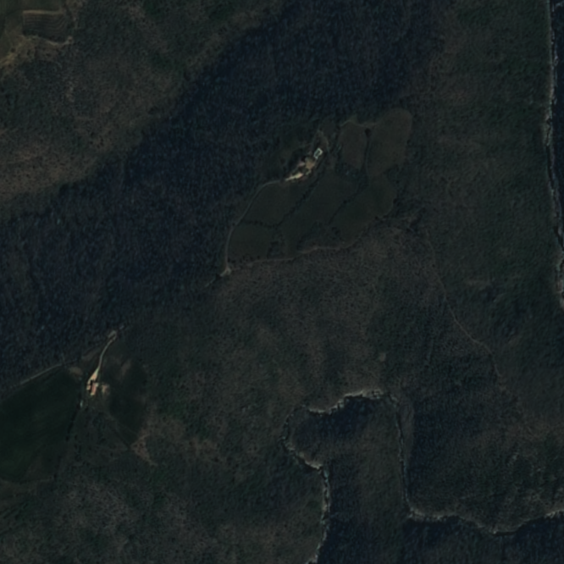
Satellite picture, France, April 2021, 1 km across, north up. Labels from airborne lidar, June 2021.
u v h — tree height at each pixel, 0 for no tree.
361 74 8
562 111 10
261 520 6
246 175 10
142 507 10
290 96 10
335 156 7
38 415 0
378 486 8
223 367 6
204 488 11
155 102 12
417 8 7
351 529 7
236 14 20
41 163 8
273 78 9
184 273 16
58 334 14
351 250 8
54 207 24
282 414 6
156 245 16
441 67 8
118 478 8
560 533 9
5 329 19
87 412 11
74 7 10
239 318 9
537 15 10
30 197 11
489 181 18
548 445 9
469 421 11
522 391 8
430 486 9
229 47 27
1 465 0
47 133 8
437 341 9
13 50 8
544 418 8
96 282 16
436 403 6
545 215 9
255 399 11
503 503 8
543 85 6
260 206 0
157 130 19
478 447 5
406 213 9
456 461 9
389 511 8
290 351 9
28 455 0
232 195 12
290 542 7
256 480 12
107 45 8
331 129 0
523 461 8
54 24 0
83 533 9
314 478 8
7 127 11
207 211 13
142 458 8
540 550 8
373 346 7
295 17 18
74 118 8
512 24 9
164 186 9
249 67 18
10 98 17
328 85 9
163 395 9
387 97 13
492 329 5
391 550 7
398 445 6
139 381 0
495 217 7
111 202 22
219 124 10
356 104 13
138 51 8
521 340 8
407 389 6
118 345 0
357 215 0
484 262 9
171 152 20
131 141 19
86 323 13
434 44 10
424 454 8
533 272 9
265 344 8
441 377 9
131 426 0
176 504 6
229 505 7
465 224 10
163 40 6
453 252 12
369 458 8
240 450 10
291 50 15
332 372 7
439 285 7
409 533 13
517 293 10
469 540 10
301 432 11
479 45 8
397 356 8
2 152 9
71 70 7
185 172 19
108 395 0
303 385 9
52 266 21
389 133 0
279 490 14
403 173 6
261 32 7
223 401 7
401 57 10
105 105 12
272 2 16
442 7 15
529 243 6
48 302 12
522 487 9
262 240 0
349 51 12
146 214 13
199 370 10
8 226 7
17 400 0
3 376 14
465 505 7
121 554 11
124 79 11
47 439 0
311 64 13
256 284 7
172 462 6
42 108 14
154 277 15
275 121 7
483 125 11
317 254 8
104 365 0
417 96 8
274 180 11
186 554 7
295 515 9
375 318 8
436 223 10
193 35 14
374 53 15
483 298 10
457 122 13
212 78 14
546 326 7
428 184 14
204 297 9
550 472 11
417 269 6
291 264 6
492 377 6
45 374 0
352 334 7
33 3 0
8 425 0
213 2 7
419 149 13
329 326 8
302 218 0
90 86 9
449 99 11
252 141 11
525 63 7
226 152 13
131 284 11
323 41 15
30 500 7
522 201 16
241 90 9
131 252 14
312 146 0
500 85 7
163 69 11
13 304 13
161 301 8
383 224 11
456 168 7
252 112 8
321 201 0
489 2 5
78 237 22
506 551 12
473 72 14
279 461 13
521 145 9
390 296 11
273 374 10
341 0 10
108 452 0
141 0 8
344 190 0
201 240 14
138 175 5
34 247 15
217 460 7
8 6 0
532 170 10
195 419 6
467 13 10
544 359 12
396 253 9
